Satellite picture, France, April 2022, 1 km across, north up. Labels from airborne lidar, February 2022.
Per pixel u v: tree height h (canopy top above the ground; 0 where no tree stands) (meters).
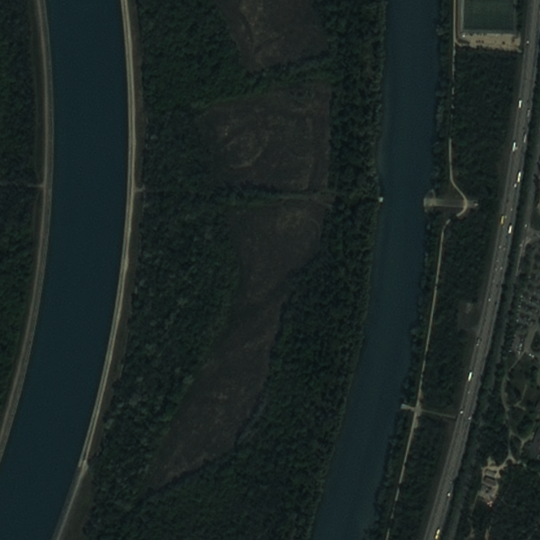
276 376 14
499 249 0
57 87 0
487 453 14
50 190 0
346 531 0
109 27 0
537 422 7
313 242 0
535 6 0
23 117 11
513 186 0
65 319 0
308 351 16
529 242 0
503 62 16
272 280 0
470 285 10
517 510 9
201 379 0
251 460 17
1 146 27
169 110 20
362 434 0
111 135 0
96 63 0
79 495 0
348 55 22
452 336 11
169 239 8
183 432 0
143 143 0
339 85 11
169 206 17
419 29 0
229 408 0
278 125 0
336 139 15
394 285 0
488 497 0
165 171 25
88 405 0
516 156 0
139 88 0
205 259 18
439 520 0
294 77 11
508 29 0
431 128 0
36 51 0
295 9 0
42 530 0
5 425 0
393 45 0
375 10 17
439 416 0
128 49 0
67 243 0
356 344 14
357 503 0
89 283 0
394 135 0
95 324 0
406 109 0
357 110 25
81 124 0
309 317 20
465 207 0
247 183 0
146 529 17
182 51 20
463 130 13
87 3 0
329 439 7
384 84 0
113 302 0
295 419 19
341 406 13
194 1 21
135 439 24
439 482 0
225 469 22
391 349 0
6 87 17
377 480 0
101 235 0
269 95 0
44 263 0
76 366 0
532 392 0
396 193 0
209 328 31
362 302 13
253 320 0
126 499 23
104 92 0
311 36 0
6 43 12
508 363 0
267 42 0
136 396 27
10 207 23
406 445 0
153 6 20
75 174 0
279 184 0
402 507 13
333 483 0
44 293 0
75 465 0
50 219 0
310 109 0
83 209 0
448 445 0
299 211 0
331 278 20
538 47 0
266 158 0
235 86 22
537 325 0
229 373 0
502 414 18
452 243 15
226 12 0
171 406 24
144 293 14
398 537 17
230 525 12
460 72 17
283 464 15
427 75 0
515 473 11
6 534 0
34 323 0
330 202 0
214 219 18
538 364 0
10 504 0
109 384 0
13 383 0
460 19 0
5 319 22
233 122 0
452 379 16
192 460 0
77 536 0
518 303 11
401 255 0
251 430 21
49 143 0
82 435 0
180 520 12
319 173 0
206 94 17
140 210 0
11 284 21
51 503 0
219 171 0
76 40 0
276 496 18
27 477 0
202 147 21
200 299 14
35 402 0
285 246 0
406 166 0
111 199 0
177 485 18
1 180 6
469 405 0
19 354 0
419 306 11
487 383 14
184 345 27
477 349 0
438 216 8
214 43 22
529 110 0
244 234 0
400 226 0
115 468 7
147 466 19
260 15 0
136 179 0
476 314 0
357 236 23
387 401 0
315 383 19
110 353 0
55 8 0
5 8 22
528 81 0
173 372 9
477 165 15
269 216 0
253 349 0
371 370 0
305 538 14
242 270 0
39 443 0
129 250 0
